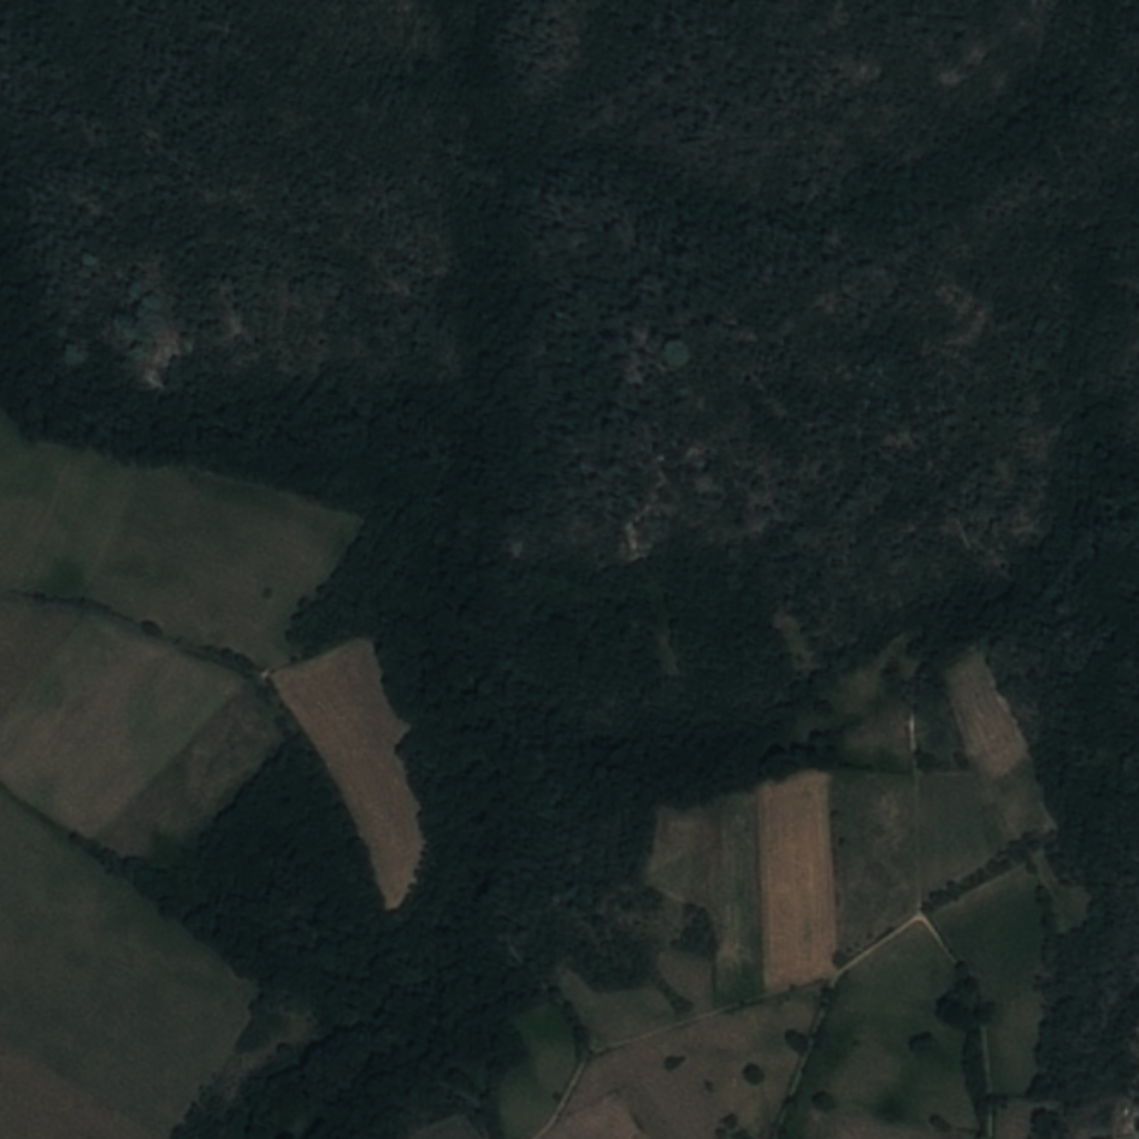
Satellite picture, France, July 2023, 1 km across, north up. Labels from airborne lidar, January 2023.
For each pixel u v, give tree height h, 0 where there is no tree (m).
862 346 8
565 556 5
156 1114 0
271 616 0
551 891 11
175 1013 0
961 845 0
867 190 18
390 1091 14
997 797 0
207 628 0
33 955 0
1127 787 12
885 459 17
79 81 11
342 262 9
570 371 9
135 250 12
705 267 8
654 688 9
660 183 16
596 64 20
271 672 0
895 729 0
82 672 0
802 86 9
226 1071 0
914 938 0
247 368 9
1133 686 9
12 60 8
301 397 19
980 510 18
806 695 18
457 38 14
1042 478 13
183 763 0
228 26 8
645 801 17
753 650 16
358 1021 26
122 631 0
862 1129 0
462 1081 16
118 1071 0
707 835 0
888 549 7
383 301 14
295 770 17
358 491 13
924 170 19
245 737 0
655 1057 0
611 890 11
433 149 7
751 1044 0
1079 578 20
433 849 7
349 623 10
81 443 15
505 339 21
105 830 0
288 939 24
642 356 8
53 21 15
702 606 22
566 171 15
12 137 9
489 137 9
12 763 0
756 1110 0
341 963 26
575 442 19
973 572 11
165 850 0
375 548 15
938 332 7
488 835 30
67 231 12
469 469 8
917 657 13
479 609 22
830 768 11
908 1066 0
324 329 11
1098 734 19
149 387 8
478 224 21
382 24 8
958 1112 0
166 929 0
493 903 26
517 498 8
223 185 9
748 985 0
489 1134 8
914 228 13
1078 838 13
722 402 8
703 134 17
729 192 7
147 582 0
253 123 19
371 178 14
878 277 12
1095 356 15
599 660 17
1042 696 8
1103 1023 8
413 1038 18
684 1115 0
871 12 13
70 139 15
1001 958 0
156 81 18
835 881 0
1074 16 17
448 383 7
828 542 8
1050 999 9
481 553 17
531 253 13
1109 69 8
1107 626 20
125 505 0
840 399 9
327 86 10
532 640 15
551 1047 0
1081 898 0
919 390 6
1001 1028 0
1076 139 14
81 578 0
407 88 19
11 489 0
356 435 25
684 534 6
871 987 0
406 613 9
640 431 17
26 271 21
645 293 13
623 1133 0
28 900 0
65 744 0
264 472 15
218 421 22
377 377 13
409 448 27
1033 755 7
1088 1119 0
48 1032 0
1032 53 6
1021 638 6
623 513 16
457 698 21
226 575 0
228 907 17
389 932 14
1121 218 14
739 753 25
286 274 11
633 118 11
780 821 0
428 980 26
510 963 11
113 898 0
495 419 21
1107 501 21
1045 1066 14
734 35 7
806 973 0
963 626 14
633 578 17
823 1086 0
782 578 10
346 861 20
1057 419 18
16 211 19
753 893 0
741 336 14
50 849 0
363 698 0
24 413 23
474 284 17
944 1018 11
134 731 0
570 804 15
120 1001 0
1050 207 14
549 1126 0
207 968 0
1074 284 15
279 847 24
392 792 0
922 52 12
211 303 14
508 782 21
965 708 0
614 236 19
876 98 9
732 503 10
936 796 0
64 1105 0
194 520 0
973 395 12
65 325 13
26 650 0
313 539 0
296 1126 0
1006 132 14
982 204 7
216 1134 19
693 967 0
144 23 14
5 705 0
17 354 24
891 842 0
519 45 13
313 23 7
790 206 15
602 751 26
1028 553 16
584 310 7
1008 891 0
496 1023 19
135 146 8
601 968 10
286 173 12
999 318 9
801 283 9
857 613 9
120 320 19
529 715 16
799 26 7
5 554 0
